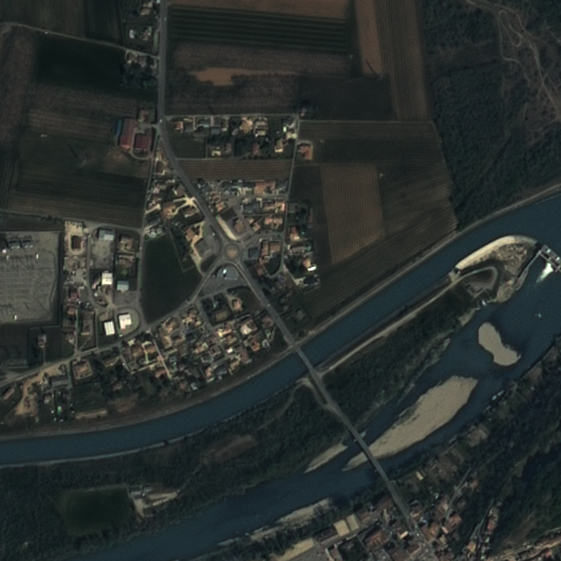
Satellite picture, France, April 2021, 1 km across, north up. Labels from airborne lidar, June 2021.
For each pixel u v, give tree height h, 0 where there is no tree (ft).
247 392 0
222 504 0
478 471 19
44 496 38
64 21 0
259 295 0
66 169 0
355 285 0
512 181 32
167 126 0
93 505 0
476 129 56
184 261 0
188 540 0
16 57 27
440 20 45
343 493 0
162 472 23
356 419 66
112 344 0
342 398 38
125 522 0
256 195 0
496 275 0
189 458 26
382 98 0
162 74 0
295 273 43
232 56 21
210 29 0
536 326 0
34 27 0
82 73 0
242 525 0
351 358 0
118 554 0
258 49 18
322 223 0
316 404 42
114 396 36
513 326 0
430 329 54
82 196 0
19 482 20
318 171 0
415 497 37
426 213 0
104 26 0
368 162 0
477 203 50
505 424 36
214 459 39
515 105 24
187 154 0
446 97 33
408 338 29
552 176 29
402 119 0
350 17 0
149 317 0
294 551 0
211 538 0
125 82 27
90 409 0
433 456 24
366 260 0
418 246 0
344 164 0
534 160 26
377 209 0
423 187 0
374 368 26
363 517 0
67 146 0
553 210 0
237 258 0
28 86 25
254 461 24
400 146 0
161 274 0
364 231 0
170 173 0
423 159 0
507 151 45
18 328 0
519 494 23
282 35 0
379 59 0
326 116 0
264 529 0
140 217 0
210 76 0
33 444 0
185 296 0
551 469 23
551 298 0
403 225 0
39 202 0
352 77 0
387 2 0
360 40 0
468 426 26
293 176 0
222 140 24
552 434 48
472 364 0
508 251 0
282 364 0
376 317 0
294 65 21
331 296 0
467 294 0
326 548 0
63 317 20
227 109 23
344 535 0
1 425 0
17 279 0
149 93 0
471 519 26
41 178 0
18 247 0
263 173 0
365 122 0
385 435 0
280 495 0
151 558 0
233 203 0
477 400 0
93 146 0
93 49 0
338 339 0
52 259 0
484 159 42
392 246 0
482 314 0
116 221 0
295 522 0
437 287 0
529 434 21
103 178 0
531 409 52
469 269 0
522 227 0
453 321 42
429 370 0
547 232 0
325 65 21
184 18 0
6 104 25
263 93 27
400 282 0
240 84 25
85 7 0
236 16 0
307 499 0
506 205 31
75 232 0
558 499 24
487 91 47
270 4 0
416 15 0
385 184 0
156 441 0
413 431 0
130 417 0
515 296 0
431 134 0
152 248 0
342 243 0
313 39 0
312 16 0
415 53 0
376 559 29
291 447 30
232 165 0
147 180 0
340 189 0
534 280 0
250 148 23
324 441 66
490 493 59
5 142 19
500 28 0
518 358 0
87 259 0
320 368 0
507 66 23
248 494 0
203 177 0
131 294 0
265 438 32
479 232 0
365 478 0
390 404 0
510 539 0
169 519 46
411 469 46
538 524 23
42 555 56
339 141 0
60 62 0
